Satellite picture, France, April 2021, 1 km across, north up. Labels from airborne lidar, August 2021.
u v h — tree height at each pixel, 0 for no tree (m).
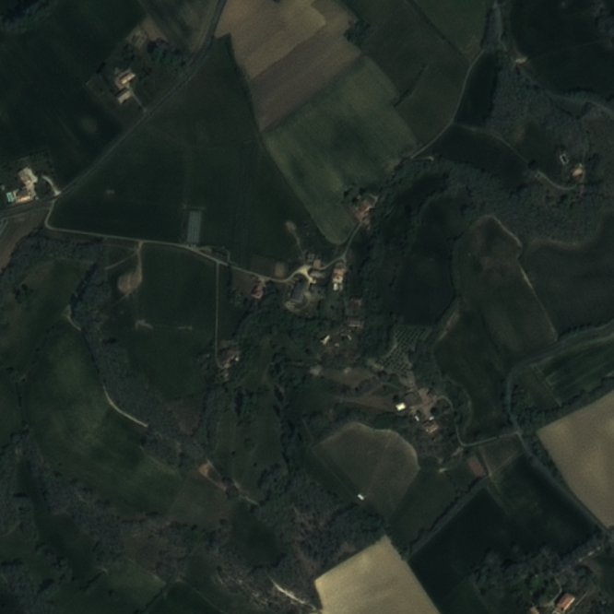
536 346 0
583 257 0
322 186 0
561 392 0
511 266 0
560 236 19
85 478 0
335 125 0
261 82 0
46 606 24
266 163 0
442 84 0
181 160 0
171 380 0
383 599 0
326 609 0
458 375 0
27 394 0
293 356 0
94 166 0
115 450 0
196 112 0
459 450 0
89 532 20
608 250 0
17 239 0
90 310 14
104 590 0
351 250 0
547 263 0
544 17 0
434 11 0
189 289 0
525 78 6
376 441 0
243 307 9
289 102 0
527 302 0
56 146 0
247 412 11
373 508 0
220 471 6
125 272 0
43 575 0
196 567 0
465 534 0
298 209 0
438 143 0
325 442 0
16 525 18
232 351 0
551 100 9
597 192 18
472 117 0
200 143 0
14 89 0
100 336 9
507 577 15
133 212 0
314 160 0
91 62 0
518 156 0
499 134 12
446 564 0
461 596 0
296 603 7
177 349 0
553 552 14
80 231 0
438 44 0
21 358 0
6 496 16
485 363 0
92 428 0
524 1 0
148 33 0
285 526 15
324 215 0
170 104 0
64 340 0
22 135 0
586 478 0
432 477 0
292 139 0
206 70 0
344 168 0
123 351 16
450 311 10
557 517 0
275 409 0
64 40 0
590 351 0
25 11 18
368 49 0
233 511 0
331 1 0
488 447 0
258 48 0
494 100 14
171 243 0
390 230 0
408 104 0
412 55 0
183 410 0
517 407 16
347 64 0
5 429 0
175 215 0
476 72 0
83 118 0
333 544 15
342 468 0
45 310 0
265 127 0
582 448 0
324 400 0
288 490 14
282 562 14
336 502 11
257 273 0
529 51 0
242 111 0
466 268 0
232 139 0
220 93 0
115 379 17
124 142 0
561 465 0
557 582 23
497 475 0
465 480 0
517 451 0
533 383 0
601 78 0
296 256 0
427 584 0
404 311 0
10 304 0
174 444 17
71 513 18
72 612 0
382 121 0
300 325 15
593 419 0
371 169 0
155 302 0
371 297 15
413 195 0
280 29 0
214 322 0
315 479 0
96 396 0
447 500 0
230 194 0
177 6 0
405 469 0
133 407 16
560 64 0
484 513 0
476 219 12
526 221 19
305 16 0
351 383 0
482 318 0
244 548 0
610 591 0
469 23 0
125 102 8
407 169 13
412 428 12
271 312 15
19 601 14
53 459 0
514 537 0
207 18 0
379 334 10
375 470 0
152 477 0
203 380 0
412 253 0
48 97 0
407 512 0
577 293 0
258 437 0
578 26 0
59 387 0
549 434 0
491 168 0
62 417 0
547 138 0
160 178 0
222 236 0
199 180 0
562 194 0
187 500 0
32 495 0
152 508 0
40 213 0
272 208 0
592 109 14
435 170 17
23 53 0
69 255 24
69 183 0
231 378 11
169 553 8
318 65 0
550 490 0
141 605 0
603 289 0
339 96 0
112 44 0
